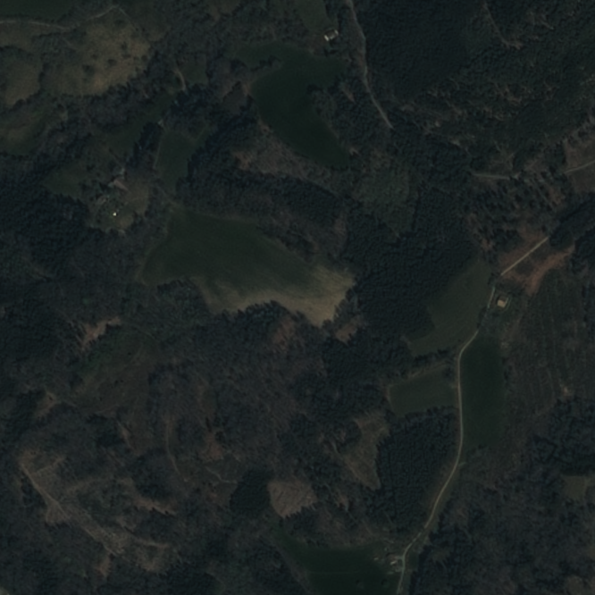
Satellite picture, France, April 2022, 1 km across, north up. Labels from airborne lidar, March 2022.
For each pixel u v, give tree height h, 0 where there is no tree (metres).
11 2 0
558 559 24
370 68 12
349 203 25
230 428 25
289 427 24
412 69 11
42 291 22
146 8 0
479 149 8
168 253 0
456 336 0
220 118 7
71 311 26
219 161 24
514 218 28
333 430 30
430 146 23
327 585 0
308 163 15
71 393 25
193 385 31
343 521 23
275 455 21
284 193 26
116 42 0
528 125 7
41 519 21
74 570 31
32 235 26
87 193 18
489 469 23
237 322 23
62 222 16
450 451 28
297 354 23
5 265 22
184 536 27
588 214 29
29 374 27
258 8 16
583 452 30
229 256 0
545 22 12
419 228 24
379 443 0
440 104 9
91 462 27
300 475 27
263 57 0
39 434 31
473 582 28
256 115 9
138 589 26
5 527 27
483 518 27
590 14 19
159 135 21
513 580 28
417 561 0
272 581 17
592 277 21
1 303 23
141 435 0
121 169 11
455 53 13
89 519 0
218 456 0
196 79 0
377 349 30
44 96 16
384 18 20
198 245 0
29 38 0
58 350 24
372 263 24
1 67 19
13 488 35
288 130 0
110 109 26
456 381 24
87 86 0
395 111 9
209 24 20
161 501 21
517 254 0
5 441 26
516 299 22
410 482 32
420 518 27
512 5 20
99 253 23
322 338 17
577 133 0
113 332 24
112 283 29
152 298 32
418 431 28
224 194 26
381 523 28
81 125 24
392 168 6
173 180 0
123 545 0
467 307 0
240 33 15
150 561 0
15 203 29
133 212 0
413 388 0
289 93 0
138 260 27
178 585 27
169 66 22
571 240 31
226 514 24
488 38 13
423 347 0
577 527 26
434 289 32
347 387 27
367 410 37
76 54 18
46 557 27
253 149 12
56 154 22
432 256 23
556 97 8
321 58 0
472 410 0
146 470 16
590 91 7
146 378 0
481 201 13
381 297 30
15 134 0
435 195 24
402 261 22
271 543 28
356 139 19
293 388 23
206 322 28
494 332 22
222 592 15
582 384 6
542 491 26
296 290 0
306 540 18
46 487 0
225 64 27
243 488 12
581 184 0
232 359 25
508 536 24
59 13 0
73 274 23
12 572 28
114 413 0
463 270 28
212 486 8
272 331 28
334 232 26
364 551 0
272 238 16
